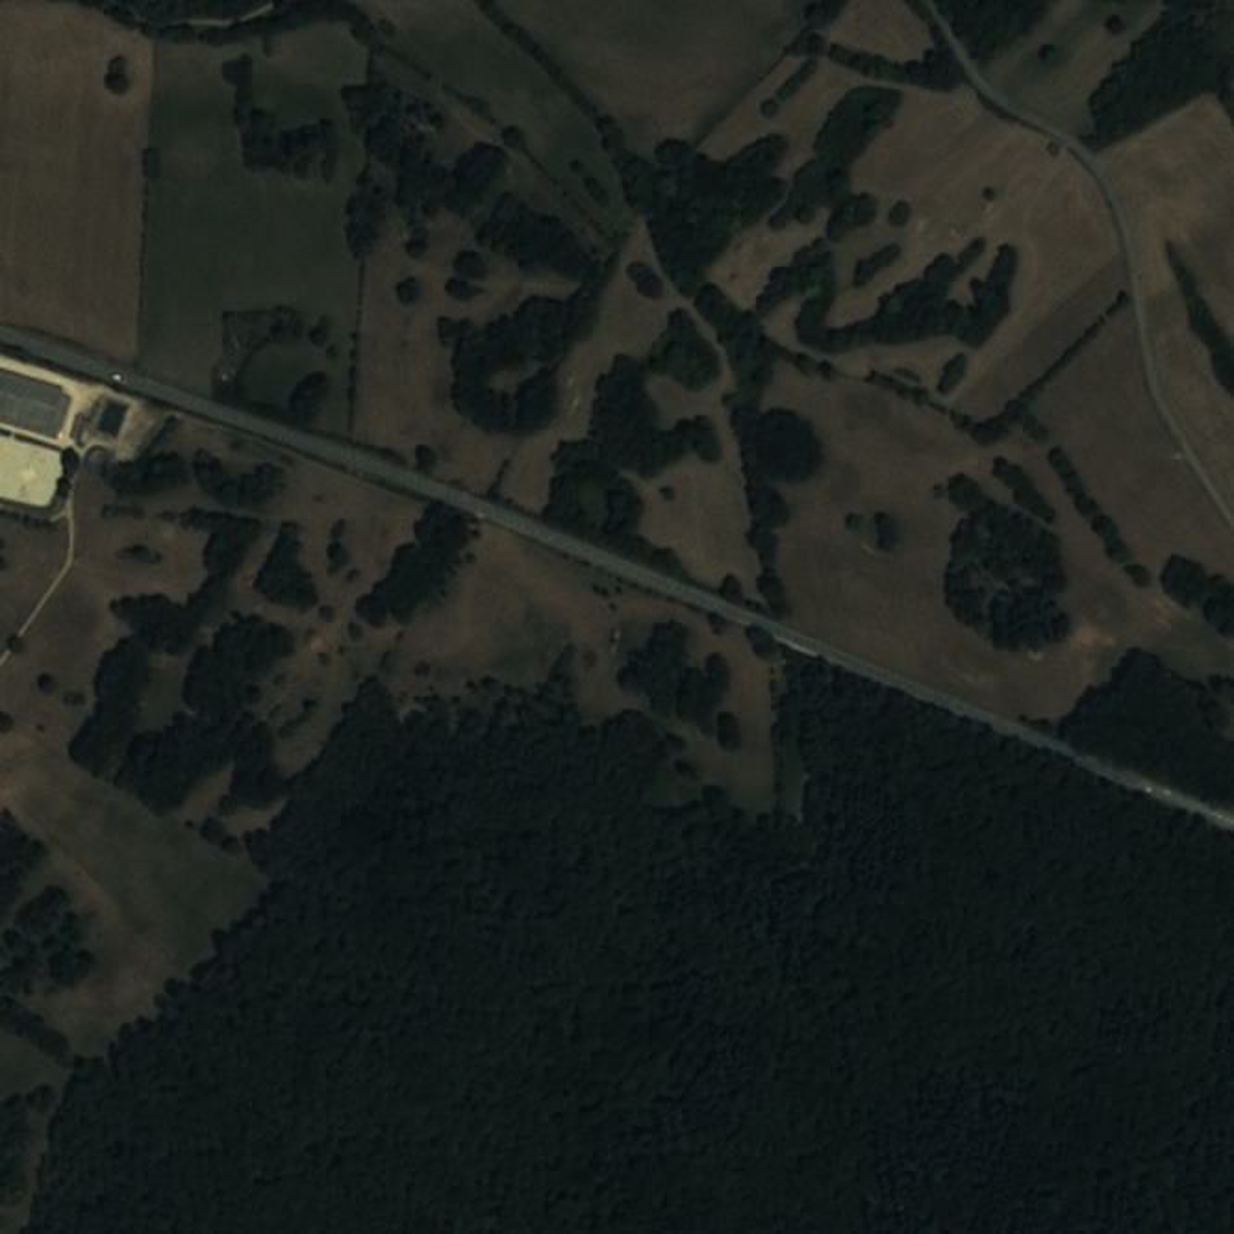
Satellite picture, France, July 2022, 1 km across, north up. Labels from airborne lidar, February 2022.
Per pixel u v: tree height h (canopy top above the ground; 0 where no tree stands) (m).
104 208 0
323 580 0
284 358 0
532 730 16
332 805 11
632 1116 22
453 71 0
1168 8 7
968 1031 22
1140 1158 14
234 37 10
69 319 0
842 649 0
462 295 10
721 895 13
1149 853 17
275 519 0
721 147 0
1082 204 0
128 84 10
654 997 21
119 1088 17
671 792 0
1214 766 21
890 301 11
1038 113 0
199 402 0
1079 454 0
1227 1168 22
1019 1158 23
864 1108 19
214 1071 16
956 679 0
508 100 0
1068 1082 22
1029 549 13
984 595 11
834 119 6
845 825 16
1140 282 0
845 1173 20
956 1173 27
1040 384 7
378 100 16
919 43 0
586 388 0
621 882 18
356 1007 19
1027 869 18
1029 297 0
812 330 7
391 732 12
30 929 16
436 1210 17
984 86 0
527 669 0
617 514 19
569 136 0
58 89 0
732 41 0
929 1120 23
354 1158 18
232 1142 20
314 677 0
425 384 0
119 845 0
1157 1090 21
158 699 0
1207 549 0
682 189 20
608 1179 11
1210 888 19
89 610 0
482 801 20
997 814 22
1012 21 15
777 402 0
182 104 0
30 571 0
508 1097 15
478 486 0
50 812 0
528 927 19
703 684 13
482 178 20
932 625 0
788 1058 17
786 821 14
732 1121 18
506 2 0
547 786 19
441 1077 18
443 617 0
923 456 0
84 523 0
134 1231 20
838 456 0
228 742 15
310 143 20
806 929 16
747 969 19
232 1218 18
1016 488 15
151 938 0
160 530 0
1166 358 0
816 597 0
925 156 0
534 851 23
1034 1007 19
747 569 0
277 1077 19
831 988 19
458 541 17
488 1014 18
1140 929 18
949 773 20
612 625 0
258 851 14
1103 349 0
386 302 0
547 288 0
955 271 8
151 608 14
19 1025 15
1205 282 0
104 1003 0
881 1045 19
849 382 0
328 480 0
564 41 0
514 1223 19
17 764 0
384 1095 17
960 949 18
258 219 0
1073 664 0
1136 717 17
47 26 0
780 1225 21
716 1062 25
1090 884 19
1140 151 0
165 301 0
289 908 20
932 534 0
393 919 24
